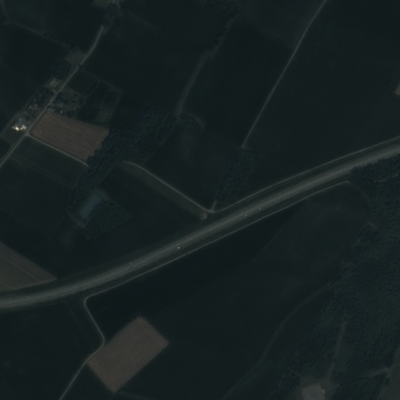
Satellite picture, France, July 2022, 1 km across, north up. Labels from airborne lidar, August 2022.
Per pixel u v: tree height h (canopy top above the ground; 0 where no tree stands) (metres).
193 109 0
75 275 0
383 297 12
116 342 0
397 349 9
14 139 0
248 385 0
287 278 0
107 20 18
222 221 0
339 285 16
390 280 9
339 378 14
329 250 0
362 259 10
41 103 14
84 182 25
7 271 0
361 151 0
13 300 0
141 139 28
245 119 0
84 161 0
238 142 0
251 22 0
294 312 0
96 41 0
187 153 0
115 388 0
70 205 10
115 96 9
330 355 8
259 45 0
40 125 0
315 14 0
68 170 0
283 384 10
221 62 0
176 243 0
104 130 0
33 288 0
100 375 0
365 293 10
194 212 0
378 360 8
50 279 0
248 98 0
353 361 9
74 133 0
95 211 13
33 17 0
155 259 0
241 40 0
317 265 0
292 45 0
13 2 0
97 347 0
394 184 19
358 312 13
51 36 14
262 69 0
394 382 0
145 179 0
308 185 0
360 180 20
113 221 11
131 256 0
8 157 0
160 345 0
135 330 0
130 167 0
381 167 18
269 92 0
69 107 0
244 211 0
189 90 0
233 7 11
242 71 0
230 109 0
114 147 19
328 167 0
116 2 0
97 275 0
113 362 0
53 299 0
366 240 16
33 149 0
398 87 0
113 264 0
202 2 13
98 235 10
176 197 0
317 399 0
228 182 20
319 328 8
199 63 0
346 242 0
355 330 9
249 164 22
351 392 12
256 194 0
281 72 0
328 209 0
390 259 14
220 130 0
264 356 0
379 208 9
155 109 17
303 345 15
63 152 0
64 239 0
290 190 0
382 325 8
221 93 0
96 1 0
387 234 8
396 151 0
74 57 0
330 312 6
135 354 0
